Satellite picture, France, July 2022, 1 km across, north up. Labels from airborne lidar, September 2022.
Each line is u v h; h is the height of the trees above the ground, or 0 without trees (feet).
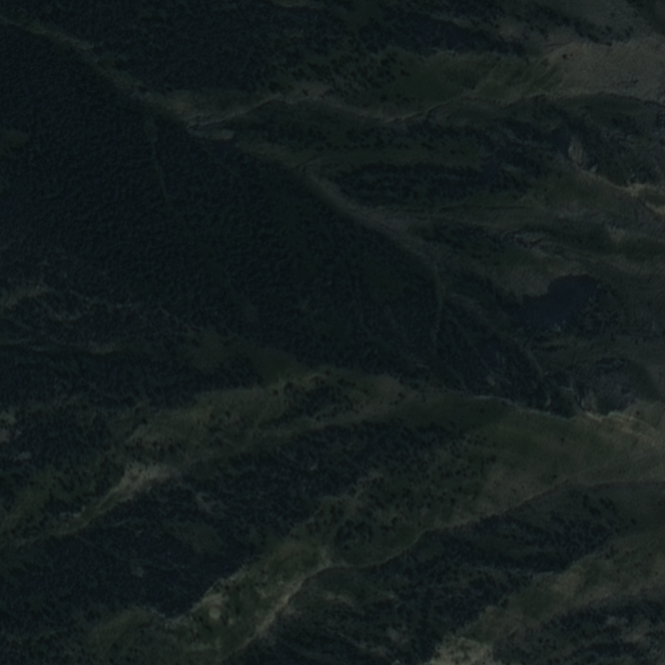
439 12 42
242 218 44
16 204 37
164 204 56
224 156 62
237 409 0
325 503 0
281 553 0
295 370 0
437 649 25
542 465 0
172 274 36
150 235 61
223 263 26
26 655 31
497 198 0
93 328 40
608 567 0
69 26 43
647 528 0
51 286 34
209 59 52
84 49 0
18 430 25
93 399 27
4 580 43
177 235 44
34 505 0
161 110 0
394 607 28
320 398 30
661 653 0
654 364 0
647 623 0
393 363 24
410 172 35
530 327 29
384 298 0
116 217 31
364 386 0
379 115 0
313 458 31
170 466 0
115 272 37
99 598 27
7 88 58
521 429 0
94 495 34
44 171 51
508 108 0
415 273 0
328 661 0
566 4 0
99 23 41
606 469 0
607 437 0
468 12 34
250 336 31
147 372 47
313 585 0
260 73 44
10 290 61
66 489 41
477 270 0
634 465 0
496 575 0
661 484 0
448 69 0
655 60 0
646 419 0
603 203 0
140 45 35
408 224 0
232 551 26
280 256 42
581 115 0
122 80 0
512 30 0
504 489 0
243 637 0
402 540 0
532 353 0
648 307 0
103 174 62
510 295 0
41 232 33
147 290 31
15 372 38
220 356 0
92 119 58
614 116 0
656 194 0
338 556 0
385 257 36
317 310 36
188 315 26
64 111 74
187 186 37
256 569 0
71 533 0
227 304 19
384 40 25
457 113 0
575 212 0
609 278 0
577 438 0
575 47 0
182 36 49
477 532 28
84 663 29
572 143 0
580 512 0
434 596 50
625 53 0
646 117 0
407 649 0
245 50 46
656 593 0
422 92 0
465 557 33
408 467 24
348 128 0
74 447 33
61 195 41
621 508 0
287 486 30
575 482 0
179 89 36
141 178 38
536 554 0
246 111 0
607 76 0
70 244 33
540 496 0
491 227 0
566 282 0
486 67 0
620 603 0
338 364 21
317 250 22
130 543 31
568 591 0
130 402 28
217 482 29
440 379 0
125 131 52
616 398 0
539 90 0
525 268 0
